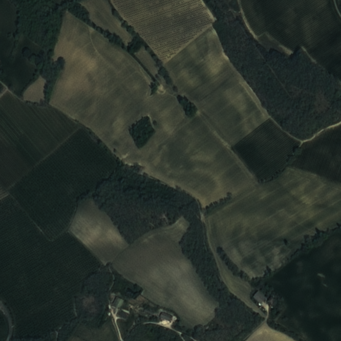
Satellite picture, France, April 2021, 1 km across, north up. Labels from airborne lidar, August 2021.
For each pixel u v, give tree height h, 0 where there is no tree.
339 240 0
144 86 0
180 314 0
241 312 16
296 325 0
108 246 0
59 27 19
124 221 22
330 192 0
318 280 0
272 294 13
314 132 19
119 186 10
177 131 0
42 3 22
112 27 0
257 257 0
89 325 7
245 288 0
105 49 0
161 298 0
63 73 0
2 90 15
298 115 14
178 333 0
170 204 13
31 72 0
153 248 0
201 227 18
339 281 0
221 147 0
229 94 0
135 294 6
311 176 0
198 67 0
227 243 0
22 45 0
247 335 14
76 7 9
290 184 0
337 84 18
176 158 0
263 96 18
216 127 0
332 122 12
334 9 0
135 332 17
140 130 12
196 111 21
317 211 0
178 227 0
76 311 7
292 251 0
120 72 0
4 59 0
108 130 0
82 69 0
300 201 0
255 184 0
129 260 0
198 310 0
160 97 0
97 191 8
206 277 22
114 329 0
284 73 15
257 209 0
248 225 0
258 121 0
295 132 18
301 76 19
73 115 0
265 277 9
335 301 0
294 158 13
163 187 6
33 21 14
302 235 0
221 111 0
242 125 0
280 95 11
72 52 0
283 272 0
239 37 9
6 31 0
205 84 0
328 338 0
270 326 13
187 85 0
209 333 17
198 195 0
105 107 0
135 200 17
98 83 0
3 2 0
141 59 0
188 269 0
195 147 0
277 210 0
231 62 12
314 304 0
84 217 0
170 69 0
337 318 0
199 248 20
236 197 0
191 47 0
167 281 0
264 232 0
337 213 0
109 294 16
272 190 0
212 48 0
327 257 0
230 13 7
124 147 0
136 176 7
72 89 0
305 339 0
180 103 25
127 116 0
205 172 0
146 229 19
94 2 0
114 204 20
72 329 7
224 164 0
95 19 0
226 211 0
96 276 17
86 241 0
